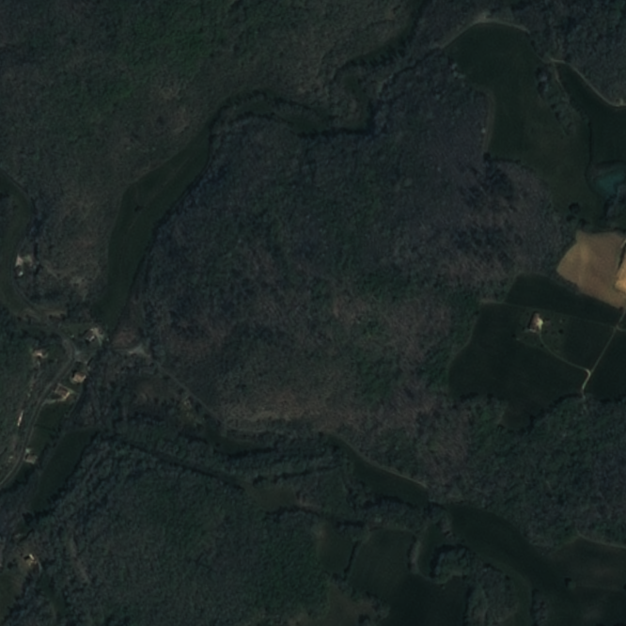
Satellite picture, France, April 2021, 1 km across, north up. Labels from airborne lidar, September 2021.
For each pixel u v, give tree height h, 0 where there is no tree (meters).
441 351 12
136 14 23
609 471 22
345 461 21
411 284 15
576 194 0
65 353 6
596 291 0
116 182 15
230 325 26
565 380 0
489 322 0
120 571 11
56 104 21
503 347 0
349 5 17
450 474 16
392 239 18
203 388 8
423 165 13
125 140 18
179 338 7
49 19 16
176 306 15
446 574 13
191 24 26
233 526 21
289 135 16
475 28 0
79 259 9
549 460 31
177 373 22
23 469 0
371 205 25
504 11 25
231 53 23
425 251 21
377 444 10
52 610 19
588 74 14
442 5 17
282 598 23
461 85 18
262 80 15
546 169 0
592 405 14
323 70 15
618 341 0
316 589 20
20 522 0
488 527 0
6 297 0
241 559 22
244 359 7
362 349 19
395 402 14
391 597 0
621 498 21
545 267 13
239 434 10
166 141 14
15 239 0
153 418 10
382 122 23
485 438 19
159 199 0
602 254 0
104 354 18
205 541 23
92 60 14
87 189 13
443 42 10
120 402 17
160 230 17
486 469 21
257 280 18
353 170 21
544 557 0
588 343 0
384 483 0
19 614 19
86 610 13
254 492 0
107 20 22
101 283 11
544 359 0
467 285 7
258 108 0
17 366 17
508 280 17
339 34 17
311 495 19
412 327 17
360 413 17
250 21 32
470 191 13
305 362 13
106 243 17
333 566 0
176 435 21
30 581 14
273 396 13
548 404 0
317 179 16
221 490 18
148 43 21
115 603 18
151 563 14
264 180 21
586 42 19
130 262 0
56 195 10
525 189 16
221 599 13
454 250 14
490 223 15
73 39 17
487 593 13
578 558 0
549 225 23
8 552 16
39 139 21
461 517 0
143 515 18
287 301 21
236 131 13
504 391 0
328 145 16
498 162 11
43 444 0
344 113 14
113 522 15
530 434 15
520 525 16
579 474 21
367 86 12
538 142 0
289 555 20
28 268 14
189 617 15
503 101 0
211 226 18
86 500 8
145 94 11
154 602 17
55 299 12
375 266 16
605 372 0
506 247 15
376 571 0
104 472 10
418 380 11
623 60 20
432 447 25
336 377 11
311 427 14
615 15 28
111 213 13
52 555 9
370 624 20
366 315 17
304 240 19
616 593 0
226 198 18
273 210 22
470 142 19
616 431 20
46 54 16
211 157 7
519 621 0
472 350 0
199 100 12
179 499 22
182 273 25
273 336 24
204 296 23
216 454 18
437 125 17
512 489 23
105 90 19
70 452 0
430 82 17
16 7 17
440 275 17
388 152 9
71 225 10
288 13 22
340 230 18
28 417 12
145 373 10
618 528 18
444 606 0
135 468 10
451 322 14
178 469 12
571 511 26
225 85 9
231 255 14
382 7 15
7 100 17
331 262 16
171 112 12
